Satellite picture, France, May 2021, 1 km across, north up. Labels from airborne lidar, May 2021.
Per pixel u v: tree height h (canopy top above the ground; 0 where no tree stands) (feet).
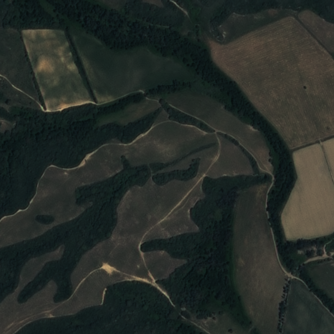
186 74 0
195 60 37
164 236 0
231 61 0
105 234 20
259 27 0
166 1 23
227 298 42
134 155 0
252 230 0
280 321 45
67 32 26
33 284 24
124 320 22
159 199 0
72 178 0
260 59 0
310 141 0
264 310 0
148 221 0
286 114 0
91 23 109
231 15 0
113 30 23
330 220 0
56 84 0
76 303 0
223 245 60
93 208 18
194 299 118
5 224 0
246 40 0
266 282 0
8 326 0
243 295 0
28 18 67
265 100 0
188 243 37
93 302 0
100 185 24
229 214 30
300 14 0
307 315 0
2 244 0
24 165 24
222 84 46
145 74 0
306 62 0
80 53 0
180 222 0
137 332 19
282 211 0
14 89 0
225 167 0
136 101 42
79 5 71
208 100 0
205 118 0
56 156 26
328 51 0
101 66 0
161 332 22
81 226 27
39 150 31
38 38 0
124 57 0
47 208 0
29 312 0
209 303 55
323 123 0
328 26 0
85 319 21
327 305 36
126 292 29
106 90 0
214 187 29
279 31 0
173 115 22
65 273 25
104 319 32
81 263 0
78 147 38
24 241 20
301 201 0
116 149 0
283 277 0
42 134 51
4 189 38
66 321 26
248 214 0
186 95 0
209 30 0
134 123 21
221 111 0
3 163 43
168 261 0
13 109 0
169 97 0
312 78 0
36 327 19
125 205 0
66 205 0
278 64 0
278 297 0
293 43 0
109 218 20
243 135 0
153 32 106
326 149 0
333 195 0
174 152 0
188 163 0
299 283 0
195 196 0
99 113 50
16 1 68
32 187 18
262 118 47
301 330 0
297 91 0
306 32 0
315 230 0
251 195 0
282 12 0
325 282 0
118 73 0
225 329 0
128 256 0
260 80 0
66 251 24
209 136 0
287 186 48
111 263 0
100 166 0
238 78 0
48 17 57
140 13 21
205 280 57
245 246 0
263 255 0
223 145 0
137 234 0
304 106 0
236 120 0
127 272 0
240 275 0
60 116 34
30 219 0
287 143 0
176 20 20
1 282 21
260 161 0
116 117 0
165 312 28
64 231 25
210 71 56
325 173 0
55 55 0
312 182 0
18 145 61
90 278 0
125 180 34
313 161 0
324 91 0
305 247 86
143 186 0
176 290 23
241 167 0
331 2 18
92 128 36
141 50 0
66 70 0
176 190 0
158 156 0
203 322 0
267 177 66
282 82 0
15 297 0
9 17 40
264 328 0
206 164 0
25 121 42
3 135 30
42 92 0
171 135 0
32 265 0
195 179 0
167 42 89
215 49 0
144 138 0
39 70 0
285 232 0
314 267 0
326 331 0
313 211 0
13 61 0
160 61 0
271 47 0
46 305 0
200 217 37
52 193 0
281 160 23
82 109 42
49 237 20
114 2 0
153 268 0
